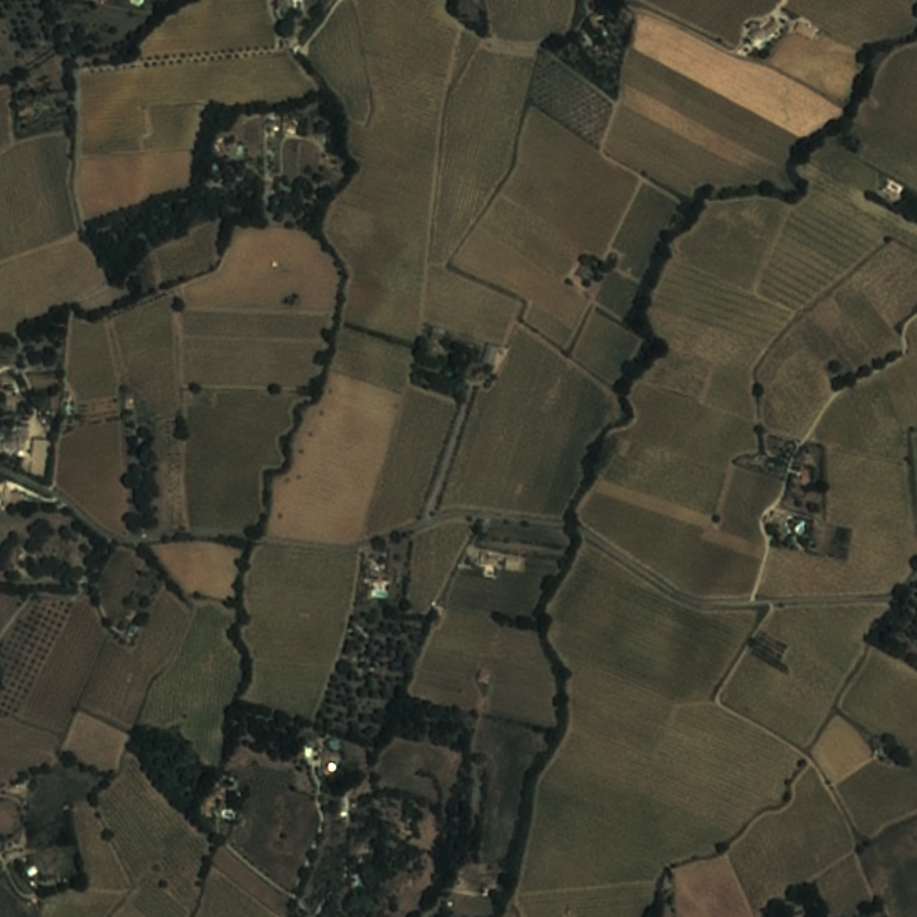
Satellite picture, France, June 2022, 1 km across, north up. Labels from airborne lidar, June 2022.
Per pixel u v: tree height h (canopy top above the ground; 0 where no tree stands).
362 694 14
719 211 0
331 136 8
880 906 10
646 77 0
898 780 0
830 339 0
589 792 0
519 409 0
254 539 10
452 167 0
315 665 0
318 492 0
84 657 0
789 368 0
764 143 0
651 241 0
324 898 6
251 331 0
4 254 0
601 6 13
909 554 0
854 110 15
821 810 0
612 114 0
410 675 10
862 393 0
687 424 0
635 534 0
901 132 0
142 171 0
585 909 0
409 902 0
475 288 0
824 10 0
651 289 6
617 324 0
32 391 8
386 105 0
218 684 0
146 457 20
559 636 0
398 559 8
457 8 13
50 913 0
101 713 0
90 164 0
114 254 14
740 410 0
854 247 0
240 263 0
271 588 0
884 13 0
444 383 15
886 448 0
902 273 0
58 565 10
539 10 0
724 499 0
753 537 0
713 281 0
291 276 0
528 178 0
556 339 0
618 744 0
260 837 0
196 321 0
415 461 0
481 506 0
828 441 0
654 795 0
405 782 0
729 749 0
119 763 0
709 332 0
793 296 0
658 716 0
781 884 0
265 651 0
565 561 10
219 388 0
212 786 19
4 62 0
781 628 0
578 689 0
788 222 0
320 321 0
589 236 0
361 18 0
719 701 0
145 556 12
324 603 0
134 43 11
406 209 0
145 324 0
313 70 10
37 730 0
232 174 9
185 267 0
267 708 14
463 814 12
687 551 0
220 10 0
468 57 0
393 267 0
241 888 0
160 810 0
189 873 0
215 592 0
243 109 12
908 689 0
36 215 0
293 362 0
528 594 0
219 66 0
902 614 12
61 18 11
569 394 0
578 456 0
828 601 0
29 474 6
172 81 0
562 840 0
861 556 0
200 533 0
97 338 0
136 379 0
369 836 16
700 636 0
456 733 6
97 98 0
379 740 10
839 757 0
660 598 0
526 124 0
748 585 0
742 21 0
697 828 0
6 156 0
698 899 0
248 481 0
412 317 0
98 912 0
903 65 0
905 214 14
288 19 9
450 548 0
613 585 0
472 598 0
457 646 0
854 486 0
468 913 0
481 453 0
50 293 0
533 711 0
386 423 0
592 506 0
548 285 0
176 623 0
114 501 0
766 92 0
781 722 0
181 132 0
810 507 10
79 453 0
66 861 0
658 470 0
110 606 0
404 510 0
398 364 0
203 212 17
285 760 8
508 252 0
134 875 0
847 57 0
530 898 0
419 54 0
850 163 0
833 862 0
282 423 0
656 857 0
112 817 0
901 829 0
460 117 0
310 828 0
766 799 0
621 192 0
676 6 0
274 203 14
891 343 0
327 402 0
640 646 0
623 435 0
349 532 0
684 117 0
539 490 0
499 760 0
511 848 7
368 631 12
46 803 0
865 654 0
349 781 9
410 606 11
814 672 0
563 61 6
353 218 0
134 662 0
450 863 9
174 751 10
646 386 0
